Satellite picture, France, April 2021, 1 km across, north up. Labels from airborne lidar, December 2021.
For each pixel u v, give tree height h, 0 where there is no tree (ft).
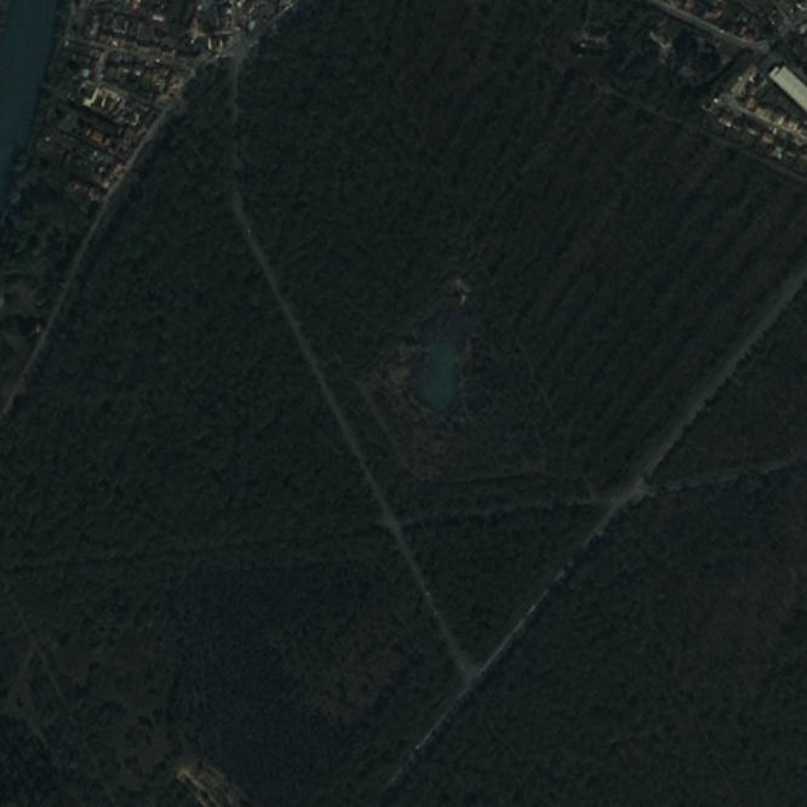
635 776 85
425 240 63
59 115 46
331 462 58
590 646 74
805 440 54
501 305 41
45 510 59
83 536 53
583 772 76
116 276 83
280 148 80
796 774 82
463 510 56
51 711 69
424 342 0
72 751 41
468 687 0
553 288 43
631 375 45
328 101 80
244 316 42
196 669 46
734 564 77
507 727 82
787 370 44
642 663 71
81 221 65
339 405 41
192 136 64
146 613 49
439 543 54
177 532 61
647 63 56
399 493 52
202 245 73
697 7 21
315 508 77
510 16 44
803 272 0
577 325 49
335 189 71
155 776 31
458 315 0
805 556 88
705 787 84
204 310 63
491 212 26
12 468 72
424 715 74
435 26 53
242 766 42
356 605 46
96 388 72
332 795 49
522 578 75
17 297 64
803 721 80
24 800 74
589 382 22
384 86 85
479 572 77
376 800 0
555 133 44
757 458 34
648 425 32
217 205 73
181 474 59
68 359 63
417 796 80
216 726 50
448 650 58
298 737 54
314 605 62
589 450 38
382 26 55
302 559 51
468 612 77
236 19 0
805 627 44
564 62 51
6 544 80
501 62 52
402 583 58
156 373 63
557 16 43
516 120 35
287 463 65
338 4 55
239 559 50
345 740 53
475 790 26
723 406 32
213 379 60
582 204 37
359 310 55
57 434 64
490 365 18
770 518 82
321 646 64
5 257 76
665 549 75
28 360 0
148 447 66
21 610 47
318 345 28
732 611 79
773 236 50
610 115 49
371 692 61
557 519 63
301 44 34
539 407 38
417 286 51
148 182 65
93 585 67
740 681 69
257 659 51
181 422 70
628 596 74
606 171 38
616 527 63
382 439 32
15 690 0
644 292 53
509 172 42
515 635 0
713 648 67
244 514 64
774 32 40
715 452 46
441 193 60
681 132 47
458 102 44
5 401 0
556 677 67
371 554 50
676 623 75
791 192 42
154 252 72
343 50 80
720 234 53
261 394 69
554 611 73
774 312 0
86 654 0
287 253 73
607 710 83
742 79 0
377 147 63
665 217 42
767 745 87
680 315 58
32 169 62
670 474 25
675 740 72
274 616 62
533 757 64
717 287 48
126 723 0
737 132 0
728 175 44
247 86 49
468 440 45
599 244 33
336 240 65
